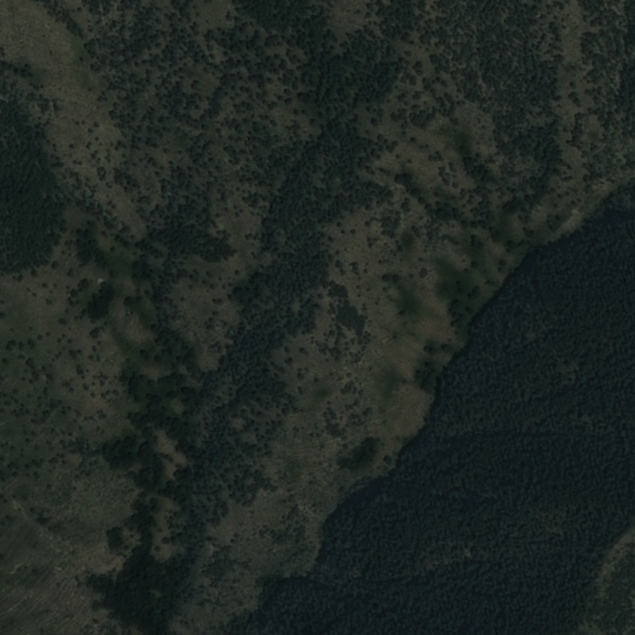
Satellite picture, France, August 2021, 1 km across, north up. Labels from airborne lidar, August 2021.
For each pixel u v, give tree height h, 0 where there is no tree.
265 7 23
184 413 12
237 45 18
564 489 30
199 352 0
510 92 11
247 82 8
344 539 12
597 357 22
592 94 11
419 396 0
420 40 11
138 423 14
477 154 7
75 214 0
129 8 6
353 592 13
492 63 13
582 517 14
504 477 8
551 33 8
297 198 16
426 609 18
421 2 10
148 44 10
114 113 17
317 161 16
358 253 0
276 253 11
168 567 13
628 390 22
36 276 18
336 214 14
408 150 0
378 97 12
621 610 9
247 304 16
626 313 20
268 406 8
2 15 0
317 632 16
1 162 17
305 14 21
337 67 26
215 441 11
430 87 9
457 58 11
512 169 5
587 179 12
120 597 18
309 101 22
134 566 19
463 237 0
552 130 18
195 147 9
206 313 0
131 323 0
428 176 0
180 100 10
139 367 0
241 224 0
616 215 10
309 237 17
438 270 0
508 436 21
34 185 19
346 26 0
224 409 13
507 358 16
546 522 8
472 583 19
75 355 12
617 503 14
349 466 10
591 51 7
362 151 16
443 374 7
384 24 13
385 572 16
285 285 14
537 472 24
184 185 11
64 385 7
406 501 26
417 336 0
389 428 0
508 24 16
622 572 10
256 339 19
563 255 17
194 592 8
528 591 16
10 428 0
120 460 18
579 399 21
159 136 9
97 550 0
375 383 0
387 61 7
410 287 0
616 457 13
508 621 25
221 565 10
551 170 15
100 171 8
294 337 10
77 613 0
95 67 16
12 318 0
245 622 9
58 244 20
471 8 12
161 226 10
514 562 13
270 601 7
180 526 11
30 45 0
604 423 12
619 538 8
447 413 12
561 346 18
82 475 7
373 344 0
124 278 0
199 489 7
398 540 18
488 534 16
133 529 11
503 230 0
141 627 10
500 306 13
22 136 16
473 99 12
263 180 12
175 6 10
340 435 7
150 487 21
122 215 0
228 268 0
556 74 14
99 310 18
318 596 16
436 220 10
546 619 21
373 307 0
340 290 9
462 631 9
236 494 9
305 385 0
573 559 18
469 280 0
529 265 12
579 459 21
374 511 16
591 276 22
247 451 12
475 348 6
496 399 21
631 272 26
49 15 7
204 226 9
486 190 6
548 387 11
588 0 7
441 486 29
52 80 0
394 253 7
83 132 0
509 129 16
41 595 0
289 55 15
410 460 23
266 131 11
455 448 19
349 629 24
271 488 7
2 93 12
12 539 0
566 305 23
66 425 0
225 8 0
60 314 0
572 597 14
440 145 0
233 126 9
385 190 11
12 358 0
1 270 18
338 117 12
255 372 16
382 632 20
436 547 7
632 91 13
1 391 13
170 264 6
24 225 23
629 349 19
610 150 6
